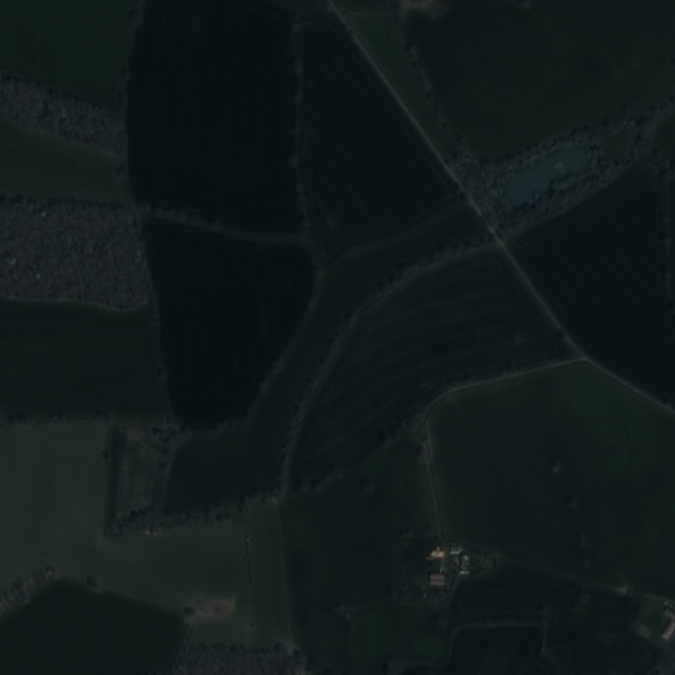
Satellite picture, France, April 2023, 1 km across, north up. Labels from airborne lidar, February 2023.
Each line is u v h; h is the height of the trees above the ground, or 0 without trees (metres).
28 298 17
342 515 0
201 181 0
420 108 0
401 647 0
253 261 0
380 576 0
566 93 0
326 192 0
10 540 0
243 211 0
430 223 0
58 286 8
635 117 0
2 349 0
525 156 13
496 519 0
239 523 0
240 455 0
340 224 0
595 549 0
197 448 0
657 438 0
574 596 0
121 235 21
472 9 0
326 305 0
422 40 0
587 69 0
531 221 16
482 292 0
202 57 0
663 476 0
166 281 0
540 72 0
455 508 0
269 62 0
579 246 0
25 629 0
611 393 0
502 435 0
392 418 0
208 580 0
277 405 0
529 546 0
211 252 0
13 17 0
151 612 0
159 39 0
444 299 0
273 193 0
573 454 0
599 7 0
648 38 0
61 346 0
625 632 0
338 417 0
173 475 0
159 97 0
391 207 0
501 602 0
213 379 0
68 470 0
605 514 0
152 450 0
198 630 0
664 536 0
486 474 0
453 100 0
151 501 0
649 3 0
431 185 0
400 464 0
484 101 0
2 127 0
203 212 0
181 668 16
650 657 0
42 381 0
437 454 0
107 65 0
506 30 0
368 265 0
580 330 0
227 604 0
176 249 0
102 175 0
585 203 0
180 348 0
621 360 0
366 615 0
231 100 0
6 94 22
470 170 13
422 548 0
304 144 0
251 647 0
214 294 0
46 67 0
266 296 0
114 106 0
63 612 0
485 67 0
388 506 0
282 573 0
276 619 0
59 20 0
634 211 0
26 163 0
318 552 0
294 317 0
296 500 0
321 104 0
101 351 0
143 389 0
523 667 0
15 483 0
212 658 22
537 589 0
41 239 23
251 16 0
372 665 0
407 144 0
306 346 0
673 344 0
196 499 0
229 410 0
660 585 0
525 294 0
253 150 0
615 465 0
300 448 0
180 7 0
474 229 0
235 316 0
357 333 0
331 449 0
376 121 0
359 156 0
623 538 0
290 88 0
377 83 0
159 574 0
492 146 0
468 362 0
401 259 0
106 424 14
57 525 0
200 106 0
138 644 0
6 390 0
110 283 21
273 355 0
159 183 0
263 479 0
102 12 0
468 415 0
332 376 0
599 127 0
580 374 0
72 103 21
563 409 0
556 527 0
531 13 0
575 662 0
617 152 0
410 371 0
